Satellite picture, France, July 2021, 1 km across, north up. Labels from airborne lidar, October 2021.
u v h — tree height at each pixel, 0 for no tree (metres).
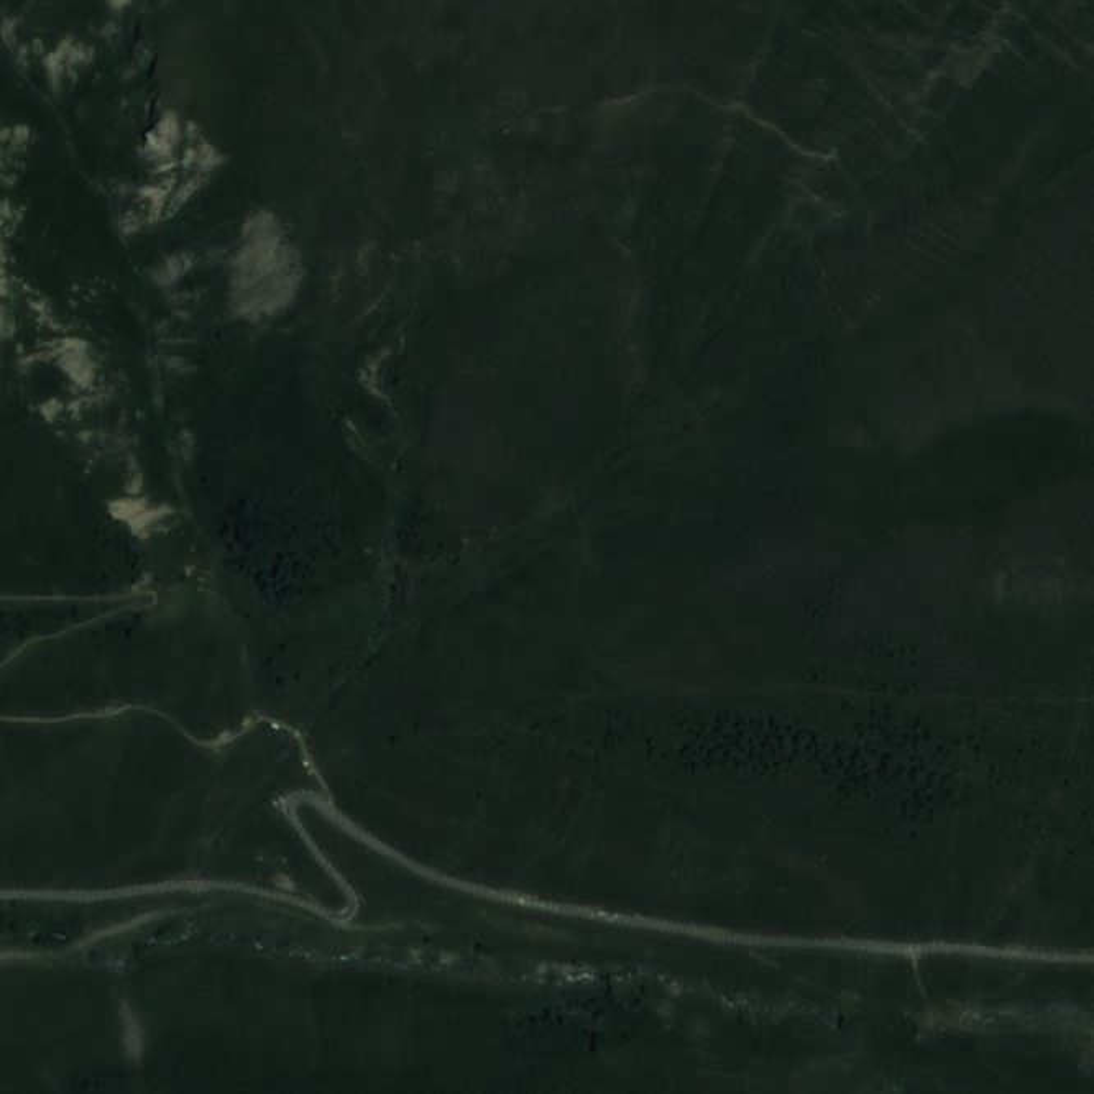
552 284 0
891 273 0
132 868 0
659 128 0
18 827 0
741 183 0
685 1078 0
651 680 0
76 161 0
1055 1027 0
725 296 0
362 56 0
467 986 0
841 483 0
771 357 0
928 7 0
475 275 0
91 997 0
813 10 0
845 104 0
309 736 0
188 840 0
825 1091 0
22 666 0
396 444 0
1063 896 0
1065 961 0
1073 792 0
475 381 0
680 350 0
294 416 0
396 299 0
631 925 0
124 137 0
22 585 0
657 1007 0
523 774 0
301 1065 0
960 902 0
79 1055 0
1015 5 0
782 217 0
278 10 0
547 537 0
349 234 0
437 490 0
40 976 0
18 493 0
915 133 0
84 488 0
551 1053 0
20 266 0
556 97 0
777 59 0
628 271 0
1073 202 0
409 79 0
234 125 0
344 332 0
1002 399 0
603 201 0
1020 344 0
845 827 0
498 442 0
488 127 0
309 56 0
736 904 0
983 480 0
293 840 0
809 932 0
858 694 0
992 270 0
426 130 0
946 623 0
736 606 0
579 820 0
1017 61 0
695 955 0
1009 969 0
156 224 0
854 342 0
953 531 0
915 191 0
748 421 0
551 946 0
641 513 0
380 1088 0
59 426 0
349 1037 0
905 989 0
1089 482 0
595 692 0
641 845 0
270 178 0
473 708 0
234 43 0
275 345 0
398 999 0
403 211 0
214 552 0
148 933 0
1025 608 0
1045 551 0
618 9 0
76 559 0
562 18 0
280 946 0
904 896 0
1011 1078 0
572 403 0
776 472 0
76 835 0
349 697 0
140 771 0
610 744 8
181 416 0
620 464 0
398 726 0
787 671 0
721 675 0
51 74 0
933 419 0
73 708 0
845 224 0
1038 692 0
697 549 0
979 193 0
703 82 0
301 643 0
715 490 0
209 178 0
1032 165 0
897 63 0
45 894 0
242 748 0
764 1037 0
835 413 0
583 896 0
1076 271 0
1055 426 0
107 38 0
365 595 0
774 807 0
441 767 0
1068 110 0
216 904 0
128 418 0
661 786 0
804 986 0
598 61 0
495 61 0
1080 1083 0
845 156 0
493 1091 0
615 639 0
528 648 0
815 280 0
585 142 0
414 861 0
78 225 0
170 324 0
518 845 0
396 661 0
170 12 0
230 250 0
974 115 0
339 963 0
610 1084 0
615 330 0
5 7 0
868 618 0
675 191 0
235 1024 0
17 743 0
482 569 0
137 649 0
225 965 0
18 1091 0
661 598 0
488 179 0
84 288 0
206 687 0
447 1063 0
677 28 0
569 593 0
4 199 0
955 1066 0
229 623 0
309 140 0
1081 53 0
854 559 0
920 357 0
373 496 0
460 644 0
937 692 0
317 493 0
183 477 0
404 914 0
